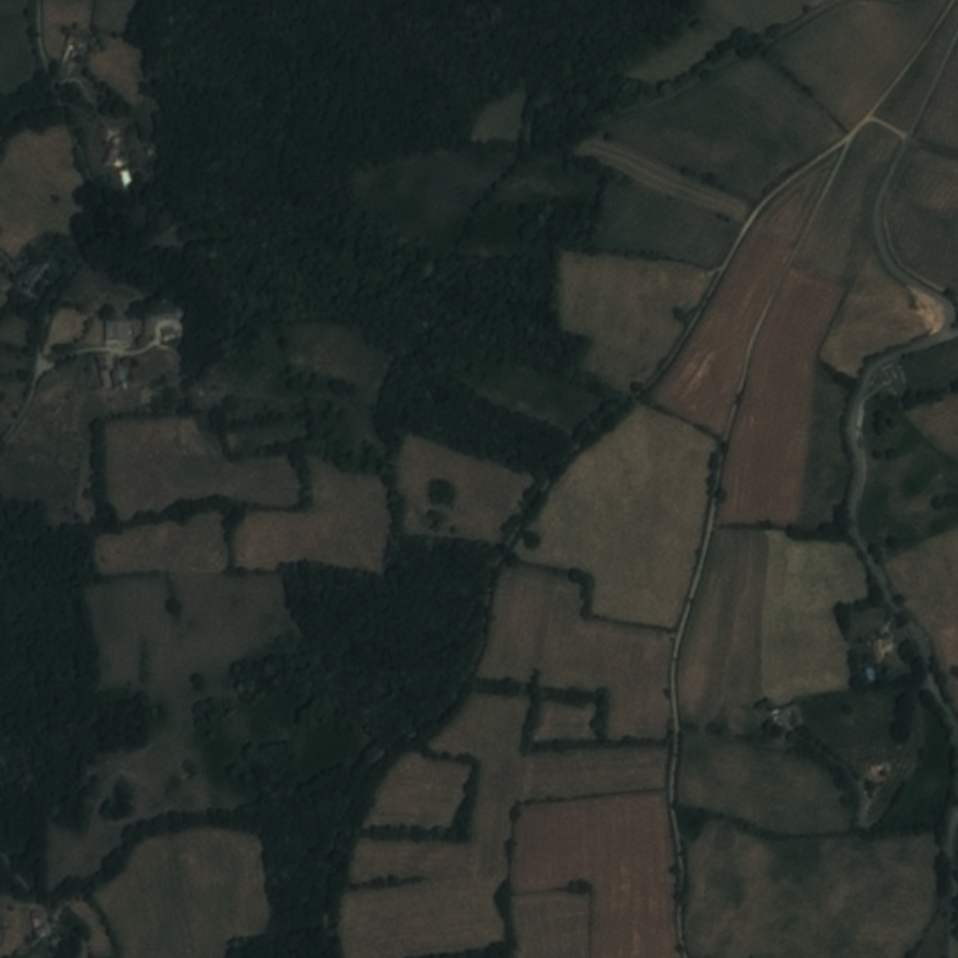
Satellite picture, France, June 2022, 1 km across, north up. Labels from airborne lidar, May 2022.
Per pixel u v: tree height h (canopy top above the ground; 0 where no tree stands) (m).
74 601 8
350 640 17
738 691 0
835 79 0
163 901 0
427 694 14
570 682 0
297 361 0
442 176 0
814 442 0
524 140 7
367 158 14
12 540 12
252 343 14
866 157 0
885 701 0
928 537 0
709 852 0
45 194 0
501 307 17
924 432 0
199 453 0
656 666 0
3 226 0
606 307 0
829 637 0
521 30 19
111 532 13
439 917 0
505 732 0
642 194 0
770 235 0
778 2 0
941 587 0
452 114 15
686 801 0
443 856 0
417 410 17
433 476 0
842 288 0
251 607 0
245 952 17
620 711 0
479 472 0
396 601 13
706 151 0
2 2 0
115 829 0
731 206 0
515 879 0
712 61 14
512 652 0
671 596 0
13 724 13
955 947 0
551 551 0
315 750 0
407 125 15
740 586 0
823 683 0
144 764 0
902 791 8
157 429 0
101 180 8
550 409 0
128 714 8
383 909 0
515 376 0
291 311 15
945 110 0
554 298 10
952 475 0
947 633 0
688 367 0
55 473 0
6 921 0
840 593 0
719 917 0
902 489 0
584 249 11
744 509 0
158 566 0
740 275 0
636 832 0
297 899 10
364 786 12
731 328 0
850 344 0
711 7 0
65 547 9
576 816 0
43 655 17
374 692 14
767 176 0
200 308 20
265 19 14
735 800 0
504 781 0
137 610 0
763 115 0
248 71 14
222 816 13
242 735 0
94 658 10
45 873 9
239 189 12
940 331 0
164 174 10
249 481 0
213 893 0
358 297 10
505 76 16
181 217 9
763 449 0
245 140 14
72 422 0
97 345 0
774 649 0
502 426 15
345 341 0
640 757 0
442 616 17
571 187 0
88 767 7
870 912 0
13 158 0
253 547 0
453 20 21
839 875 0
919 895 0
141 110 0
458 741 0
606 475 0
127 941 0
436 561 11
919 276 0
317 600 11
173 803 0
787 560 0
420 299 20
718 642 0
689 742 0
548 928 0
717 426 0
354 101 17
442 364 13
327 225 8
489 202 8
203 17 18
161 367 0
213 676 0
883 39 0
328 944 12
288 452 11
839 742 0
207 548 0
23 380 12
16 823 17
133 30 17
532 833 0
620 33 19
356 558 0
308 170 16
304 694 18
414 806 0
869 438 0
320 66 15
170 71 10
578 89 13
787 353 0
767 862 0
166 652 0
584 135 14
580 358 9
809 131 0
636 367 0
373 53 16
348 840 12
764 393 0
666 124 0
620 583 0
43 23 0
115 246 21
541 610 0
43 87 12
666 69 0
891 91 0
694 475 0
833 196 0
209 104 14
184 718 0
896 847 0
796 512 0
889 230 0
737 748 0
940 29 0
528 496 13
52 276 10
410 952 0
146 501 0
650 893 0
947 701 13
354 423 0
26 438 0
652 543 0
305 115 15
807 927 0
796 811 0
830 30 0
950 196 0
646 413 0
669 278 0
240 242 17
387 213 0
